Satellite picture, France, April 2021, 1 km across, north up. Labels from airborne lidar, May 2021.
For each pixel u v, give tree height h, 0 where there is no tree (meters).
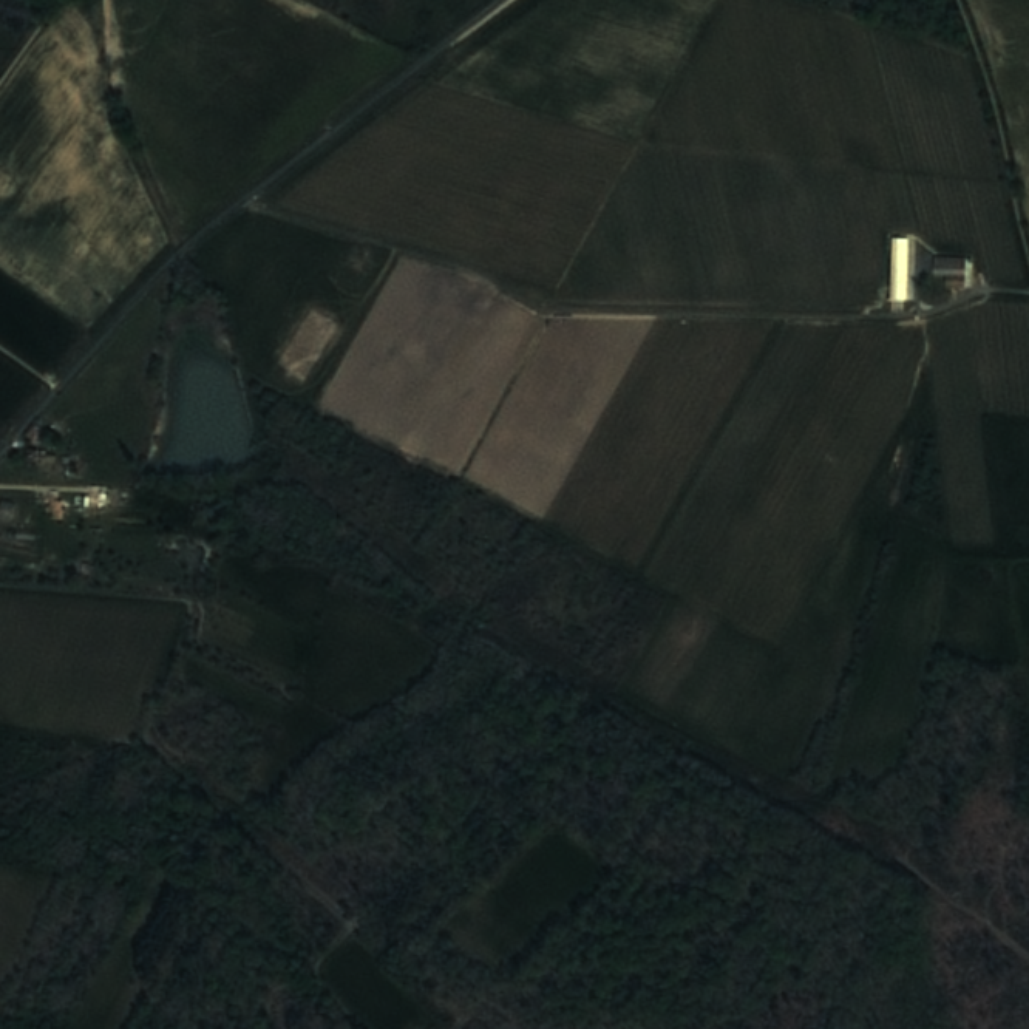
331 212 0
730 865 23
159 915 14
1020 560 0
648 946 24
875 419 0
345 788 21
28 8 13
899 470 0
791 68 0
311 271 0
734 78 0
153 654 0
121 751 10
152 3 0
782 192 0
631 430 0
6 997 10
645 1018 17
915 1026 15
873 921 18
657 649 0
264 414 9
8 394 0
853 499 0
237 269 0
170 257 0
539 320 0
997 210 0
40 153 0
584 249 0
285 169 0
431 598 11
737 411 0
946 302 0
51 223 0
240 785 20
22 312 0
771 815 24
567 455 0
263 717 0
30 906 0
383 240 0
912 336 0
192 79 0
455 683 17
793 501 0
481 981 18
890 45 0
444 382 0
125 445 0
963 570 0
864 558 0
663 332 0
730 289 0
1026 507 0
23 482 0
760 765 0
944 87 0
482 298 0
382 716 13
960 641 0
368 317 0
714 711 0
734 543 0
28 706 0
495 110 0
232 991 15
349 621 0
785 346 0
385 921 17
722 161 0
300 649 0
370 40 0
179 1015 16
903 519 0
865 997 16
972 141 0
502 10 0
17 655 0
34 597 0
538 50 0
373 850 14
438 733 10
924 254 0
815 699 0
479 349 0
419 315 0
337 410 0
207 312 0
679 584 0
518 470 0
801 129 0
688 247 0
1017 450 0
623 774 18
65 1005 11
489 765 18
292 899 13
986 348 0
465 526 8
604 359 0
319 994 16
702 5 0
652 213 0
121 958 0
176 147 0
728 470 0
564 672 0
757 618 0
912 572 0
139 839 19
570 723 23
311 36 0
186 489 19
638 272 0
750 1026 12
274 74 0
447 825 25
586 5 0
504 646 18
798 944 16
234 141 0
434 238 0
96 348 0
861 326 0
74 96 0
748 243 0
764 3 0
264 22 0
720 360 0
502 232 0
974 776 13
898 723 0
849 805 14
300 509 12
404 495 0
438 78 0
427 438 0
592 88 0
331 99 0
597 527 0
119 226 0
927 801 19
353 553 15
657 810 10
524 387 0
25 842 9
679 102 0
